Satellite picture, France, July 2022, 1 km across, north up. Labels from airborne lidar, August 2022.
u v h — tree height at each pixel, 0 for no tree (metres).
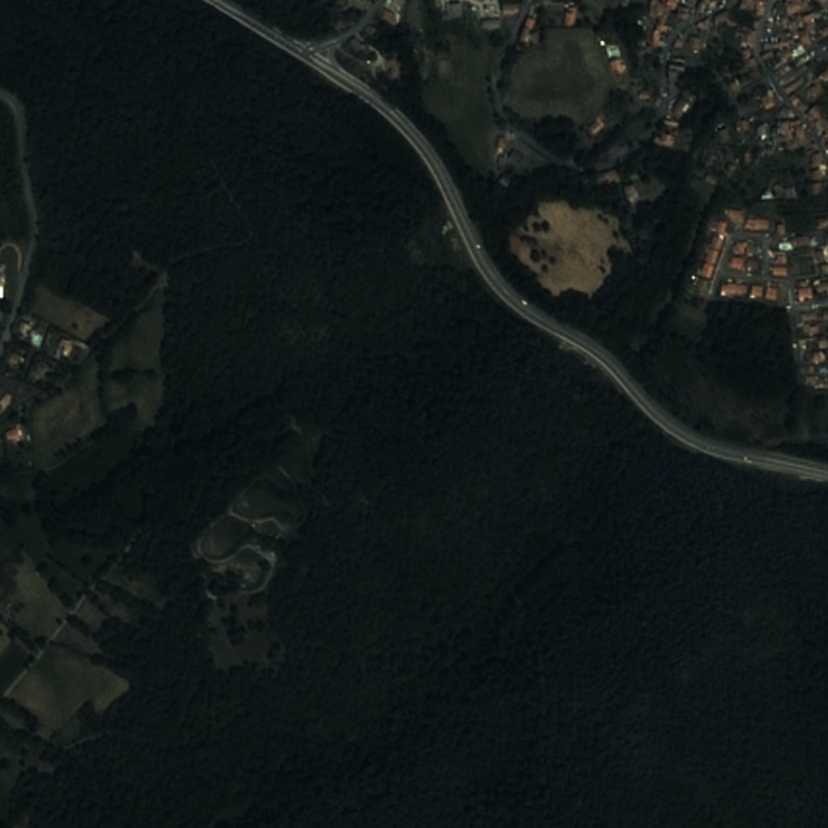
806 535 9
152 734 9
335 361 19
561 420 9
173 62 18
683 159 14
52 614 0
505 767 12
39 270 6
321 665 10
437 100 0
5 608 0
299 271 9
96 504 25
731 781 7
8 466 14
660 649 14
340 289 13
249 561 0
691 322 0
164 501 12
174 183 10
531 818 25
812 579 11
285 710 10
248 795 9
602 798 6
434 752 15
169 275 9
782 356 11
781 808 10
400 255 10
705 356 17
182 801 13
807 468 0
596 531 25
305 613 10
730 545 10
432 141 7
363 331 19
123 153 16
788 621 8
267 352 9
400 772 13
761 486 19
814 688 20
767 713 13
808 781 12
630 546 20
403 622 13
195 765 15
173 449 24
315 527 14
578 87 0
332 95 13
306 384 26
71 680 0
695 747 7
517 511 7
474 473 8
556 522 20
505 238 14
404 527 7
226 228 10
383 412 19
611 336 26
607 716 6
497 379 14
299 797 16
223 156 15
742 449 0
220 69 19
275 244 14
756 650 9
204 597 7
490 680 17
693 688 8
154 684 8
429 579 15
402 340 31
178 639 11
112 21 25
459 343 36
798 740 14
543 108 0
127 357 0
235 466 20
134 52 20
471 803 10
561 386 16
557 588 6
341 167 24
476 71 0
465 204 7
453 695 22
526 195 17
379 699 10
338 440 14
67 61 19
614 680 9
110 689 0
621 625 14
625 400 15
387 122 14
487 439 13
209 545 0
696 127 12
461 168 14
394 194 20
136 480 22
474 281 17
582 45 0
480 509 9
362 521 11
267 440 13
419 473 17
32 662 10
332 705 12
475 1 0
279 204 19
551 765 7
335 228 17
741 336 11
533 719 9
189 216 8
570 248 0
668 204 13
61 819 13
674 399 26
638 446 22
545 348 10
